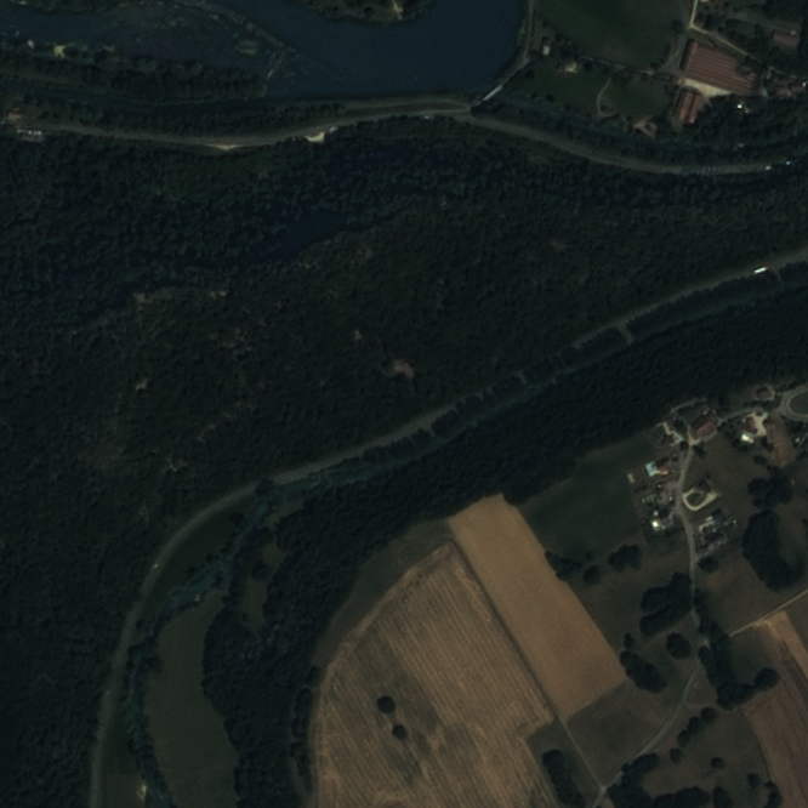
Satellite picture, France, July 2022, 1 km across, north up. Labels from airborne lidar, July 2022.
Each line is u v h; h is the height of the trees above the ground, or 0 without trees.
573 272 18
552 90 0
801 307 18
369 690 0
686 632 0
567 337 10
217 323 19
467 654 0
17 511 19
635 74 13
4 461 20
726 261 10
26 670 17
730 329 22
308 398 24
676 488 0
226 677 30
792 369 18
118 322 11
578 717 0
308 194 29
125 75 14
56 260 35
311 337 18
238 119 18
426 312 24
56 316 22
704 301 31
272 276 10
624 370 22
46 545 18
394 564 0
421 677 0
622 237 15
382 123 9
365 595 0
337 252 15
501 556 0
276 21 0
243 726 22
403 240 17
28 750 21
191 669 0
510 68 11
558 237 19
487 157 11
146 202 11
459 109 0
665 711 0
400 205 10
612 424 17
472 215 10
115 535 20
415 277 24
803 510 0
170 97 14
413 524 13
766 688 13
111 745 0
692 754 0
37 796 25
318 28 0
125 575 26
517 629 0
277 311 20
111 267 22
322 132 0
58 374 19
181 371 26
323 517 17
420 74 0
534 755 0
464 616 0
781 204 14
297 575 22
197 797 0
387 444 0
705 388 18
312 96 0
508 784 0
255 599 0
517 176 30
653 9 0
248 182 8
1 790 12
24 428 18
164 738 0
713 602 0
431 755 0
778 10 19
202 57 0
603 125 8
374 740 0
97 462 11
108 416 8
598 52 0
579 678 0
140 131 17
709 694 0
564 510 0
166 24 0
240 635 24
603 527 0
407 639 0
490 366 22
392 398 23
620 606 0
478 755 0
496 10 0
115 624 26
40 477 18
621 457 0
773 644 0
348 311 20
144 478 21
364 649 0
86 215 30
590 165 16
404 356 26
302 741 18
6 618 9
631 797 17
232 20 0
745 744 0
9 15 0
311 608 21
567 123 14
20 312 23
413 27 0
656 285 24
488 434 19
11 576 19
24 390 17
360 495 16
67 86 8
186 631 0
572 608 0
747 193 10
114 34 0
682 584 20
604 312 21
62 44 0
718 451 0
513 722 0
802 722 0
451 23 0
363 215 31
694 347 18
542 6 0
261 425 36
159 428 22
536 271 23
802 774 0
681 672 0
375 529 15
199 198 8
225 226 29
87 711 24
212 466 27
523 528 0
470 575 0
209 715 0
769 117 6
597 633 0
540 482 21
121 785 0
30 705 21
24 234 11
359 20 0
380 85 0
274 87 0
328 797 0
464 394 20
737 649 0
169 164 29
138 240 32
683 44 0
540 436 18
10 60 19
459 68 0
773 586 21
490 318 21
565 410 19
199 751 0
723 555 0
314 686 16
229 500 0
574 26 0
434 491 16
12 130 10
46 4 18
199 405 21
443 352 25
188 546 0
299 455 18
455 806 0
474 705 0
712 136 19
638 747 0
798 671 0
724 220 14
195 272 25
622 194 19
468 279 31
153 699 0
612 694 0
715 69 0
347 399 25
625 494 0
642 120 0
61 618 28
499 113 23
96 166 31
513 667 0
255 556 18
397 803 0
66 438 16
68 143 16
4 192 24
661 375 19
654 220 11
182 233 31
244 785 23
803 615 0
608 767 0
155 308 6
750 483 0
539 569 0
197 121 22
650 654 0
